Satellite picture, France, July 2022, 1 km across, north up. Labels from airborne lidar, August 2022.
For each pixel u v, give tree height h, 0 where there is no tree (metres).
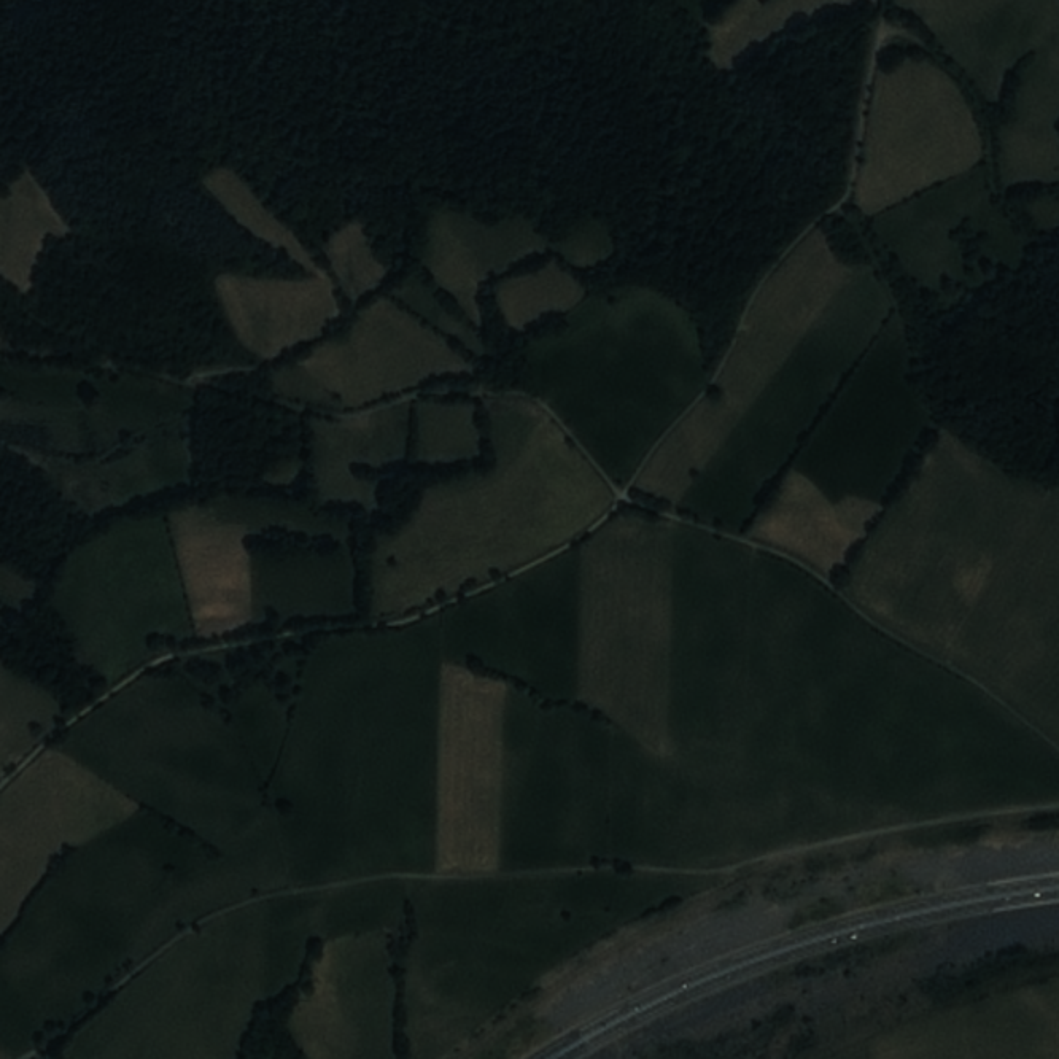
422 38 11
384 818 0
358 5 16
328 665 0
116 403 0
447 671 0
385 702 0
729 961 0
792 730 0
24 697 0
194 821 0
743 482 0
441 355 0
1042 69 0
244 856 0
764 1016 0
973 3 0
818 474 0
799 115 17
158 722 0
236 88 19
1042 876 0
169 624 0
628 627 0
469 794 0
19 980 0
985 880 0
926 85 0
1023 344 28
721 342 13
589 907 0
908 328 12
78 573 0
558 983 0
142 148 22
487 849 0
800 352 0
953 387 21
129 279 10
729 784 0
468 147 22
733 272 17
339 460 0
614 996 0
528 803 0
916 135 0
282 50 10
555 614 0
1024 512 0
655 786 0
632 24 16
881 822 0
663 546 0
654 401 0
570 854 0
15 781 0
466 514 0
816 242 0
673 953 0
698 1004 0
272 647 16
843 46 12
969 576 0
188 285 6
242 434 21
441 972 0
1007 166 0
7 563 14
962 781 0
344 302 16
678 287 16
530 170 25
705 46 12
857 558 12
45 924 0
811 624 0
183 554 0
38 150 17
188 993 0
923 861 0
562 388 0
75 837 0
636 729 0
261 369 10
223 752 0
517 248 0
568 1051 0
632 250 17
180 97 18
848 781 0
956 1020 0
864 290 0
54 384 0
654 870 0
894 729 0
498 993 0
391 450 0
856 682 0
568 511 0
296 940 0
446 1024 0
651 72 18
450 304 20
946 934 0
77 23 20
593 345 0
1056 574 0
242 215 0
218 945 0
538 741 0
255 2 6
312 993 12
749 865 0
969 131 0
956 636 0
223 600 0
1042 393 27
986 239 6
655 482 0
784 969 0
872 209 0
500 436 0
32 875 0
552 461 0
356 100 16
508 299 0
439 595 11
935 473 0
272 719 0
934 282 0
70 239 10
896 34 0
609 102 18
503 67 11
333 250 0
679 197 26
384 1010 0
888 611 0
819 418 8
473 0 22
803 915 0
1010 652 0
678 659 0
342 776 0
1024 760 0
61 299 11
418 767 0
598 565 0
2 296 12
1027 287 17
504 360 17
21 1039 0
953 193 0
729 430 0
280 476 0
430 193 21
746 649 0
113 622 0
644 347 0
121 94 22
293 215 17
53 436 0
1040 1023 0
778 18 0
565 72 14
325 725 0
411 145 25
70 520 10
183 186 25
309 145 22
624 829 0
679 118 22
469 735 0
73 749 0
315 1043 0
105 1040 0
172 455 0
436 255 0
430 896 0
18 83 22
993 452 16
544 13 22
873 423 0
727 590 0
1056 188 9
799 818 0
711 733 0
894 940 0
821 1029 0
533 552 0
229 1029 0
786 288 0
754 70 16
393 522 20
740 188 20
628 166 20
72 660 8
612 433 0
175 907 0
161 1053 0
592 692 0
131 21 17
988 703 0
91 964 0
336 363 0
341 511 18
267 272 9
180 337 9
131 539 0
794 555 0
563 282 0
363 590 18
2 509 12
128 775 0
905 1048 0
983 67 0
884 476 0
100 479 0
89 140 28
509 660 0
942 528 0
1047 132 0
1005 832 0
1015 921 0
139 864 0
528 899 0
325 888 0
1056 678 0
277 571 0
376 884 0
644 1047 0
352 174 26
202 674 17
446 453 0
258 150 9
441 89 13
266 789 7
